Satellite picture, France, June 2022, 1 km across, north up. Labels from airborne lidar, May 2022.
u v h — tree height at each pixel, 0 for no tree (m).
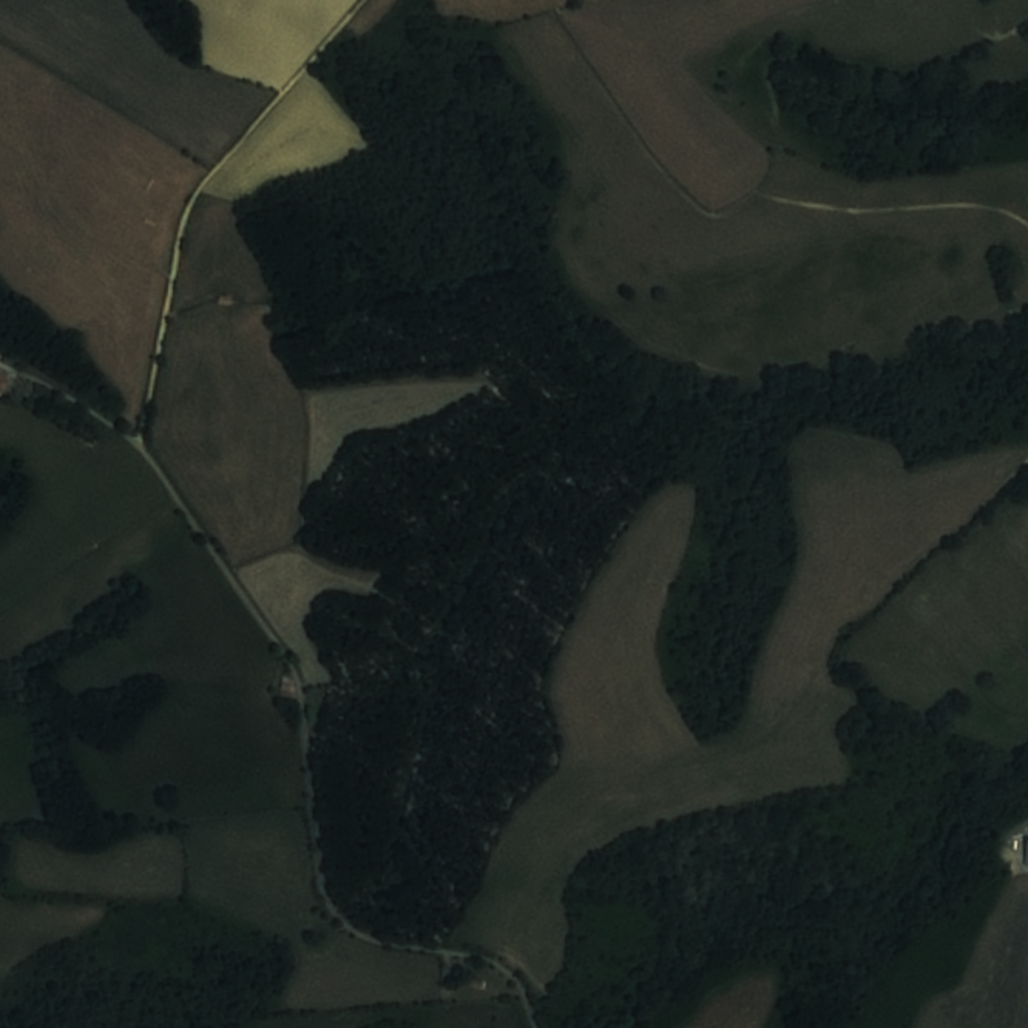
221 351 0
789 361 0
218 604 0
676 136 0
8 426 0
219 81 0
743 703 8
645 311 0
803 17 0
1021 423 9
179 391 0
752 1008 0
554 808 0
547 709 12
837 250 0
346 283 29
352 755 31
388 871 26
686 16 0
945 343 26
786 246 0
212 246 0
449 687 24
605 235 0
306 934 10
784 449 8
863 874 12
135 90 0
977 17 0
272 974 6
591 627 0
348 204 15
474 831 15
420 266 9
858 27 0
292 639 0
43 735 12
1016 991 0
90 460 0
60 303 0
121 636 20
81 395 13
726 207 0
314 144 0
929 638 0
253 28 0
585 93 0
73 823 24
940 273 0
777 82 13
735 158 0
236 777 0
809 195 0
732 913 18
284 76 0
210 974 8
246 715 0
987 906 0
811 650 0
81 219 0
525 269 19
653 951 11
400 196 19
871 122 13
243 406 0
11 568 0
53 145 0
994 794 26
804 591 0
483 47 11
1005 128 13
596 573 8
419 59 9
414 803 23
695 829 16
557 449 30
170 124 0
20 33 0
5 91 0
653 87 0
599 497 23
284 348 20
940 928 0
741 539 19
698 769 0
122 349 0
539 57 0
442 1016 0
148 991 12
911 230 0
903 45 0
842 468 0
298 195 11
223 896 0
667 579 0
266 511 0
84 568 0
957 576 0
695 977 16
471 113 17
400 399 0
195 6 14
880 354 0
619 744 0
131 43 0
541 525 23
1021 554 0
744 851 13
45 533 0
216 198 0
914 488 0
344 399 0
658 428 18
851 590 0
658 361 12
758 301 0
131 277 0
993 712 0
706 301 0
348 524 27
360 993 0
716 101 0
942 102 19
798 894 28
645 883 13
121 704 18
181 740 0
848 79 25
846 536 0
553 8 0
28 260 0
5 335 21
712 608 18
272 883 0
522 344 28
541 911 0
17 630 0
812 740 0
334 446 0
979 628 0
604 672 0
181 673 0
